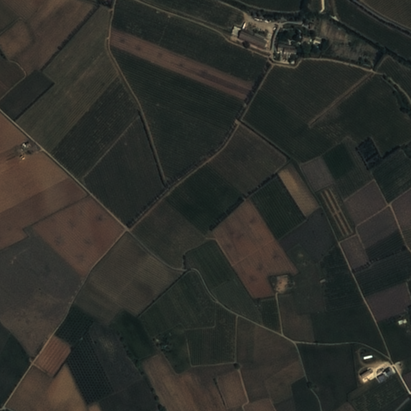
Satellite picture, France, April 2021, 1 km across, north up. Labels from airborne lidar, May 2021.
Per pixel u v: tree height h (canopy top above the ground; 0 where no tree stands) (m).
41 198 0
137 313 0
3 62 0
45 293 0
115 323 0
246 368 0
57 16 0
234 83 0
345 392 0
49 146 0
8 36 0
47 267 0
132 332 0
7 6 0
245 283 0
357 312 0
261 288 0
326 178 0
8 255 0
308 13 14
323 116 0
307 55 18
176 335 0
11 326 0
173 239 0
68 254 0
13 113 0
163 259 0
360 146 9
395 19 0
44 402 0
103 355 0
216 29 0
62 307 0
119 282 0
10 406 0
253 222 0
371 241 0
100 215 0
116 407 0
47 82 0
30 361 0
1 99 0
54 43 0
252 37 0
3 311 0
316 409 0
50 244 0
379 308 0
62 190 0
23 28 0
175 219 0
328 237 0
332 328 0
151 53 0
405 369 0
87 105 0
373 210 0
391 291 0
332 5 0
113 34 0
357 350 0
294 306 0
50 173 0
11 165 0
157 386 0
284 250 0
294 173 0
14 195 0
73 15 0
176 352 0
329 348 0
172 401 0
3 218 0
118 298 0
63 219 0
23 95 0
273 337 0
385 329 0
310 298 0
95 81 0
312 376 0
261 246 0
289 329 0
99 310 0
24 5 0
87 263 0
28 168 0
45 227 0
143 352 0
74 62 0
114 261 0
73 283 0
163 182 13
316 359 0
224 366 0
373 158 9
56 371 0
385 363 0
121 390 0
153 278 0
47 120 0
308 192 0
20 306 0
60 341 0
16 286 0
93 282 0
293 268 0
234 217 0
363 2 0
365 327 0
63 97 0
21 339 0
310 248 0
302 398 0
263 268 0
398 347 0
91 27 0
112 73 0
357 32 7
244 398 0
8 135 0
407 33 13
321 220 0
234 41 0
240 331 0
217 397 0
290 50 0
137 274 0
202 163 15
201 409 0
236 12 0
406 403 0
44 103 0
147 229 0
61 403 0
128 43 0
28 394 0
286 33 12
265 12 10
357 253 0
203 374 0
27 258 0
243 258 0
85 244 0
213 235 0
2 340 0
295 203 7
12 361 0
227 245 0
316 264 0
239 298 0
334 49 0
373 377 0
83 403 0
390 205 0
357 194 0
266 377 0
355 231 0
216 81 0
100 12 0
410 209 0
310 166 0
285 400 0
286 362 0
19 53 0
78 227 0
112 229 0
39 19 0
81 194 0
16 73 0
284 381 0
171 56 0
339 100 0
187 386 0
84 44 0
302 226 0
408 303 0
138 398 0
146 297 0
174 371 0
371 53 0
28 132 0
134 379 0
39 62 0
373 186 0
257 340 0
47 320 0
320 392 0
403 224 0
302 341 0
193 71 0
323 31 0
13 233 0
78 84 0
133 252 0
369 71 0
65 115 0
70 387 0
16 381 0
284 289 0
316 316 0
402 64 16
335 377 0
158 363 0
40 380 0
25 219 0
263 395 0
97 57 0
